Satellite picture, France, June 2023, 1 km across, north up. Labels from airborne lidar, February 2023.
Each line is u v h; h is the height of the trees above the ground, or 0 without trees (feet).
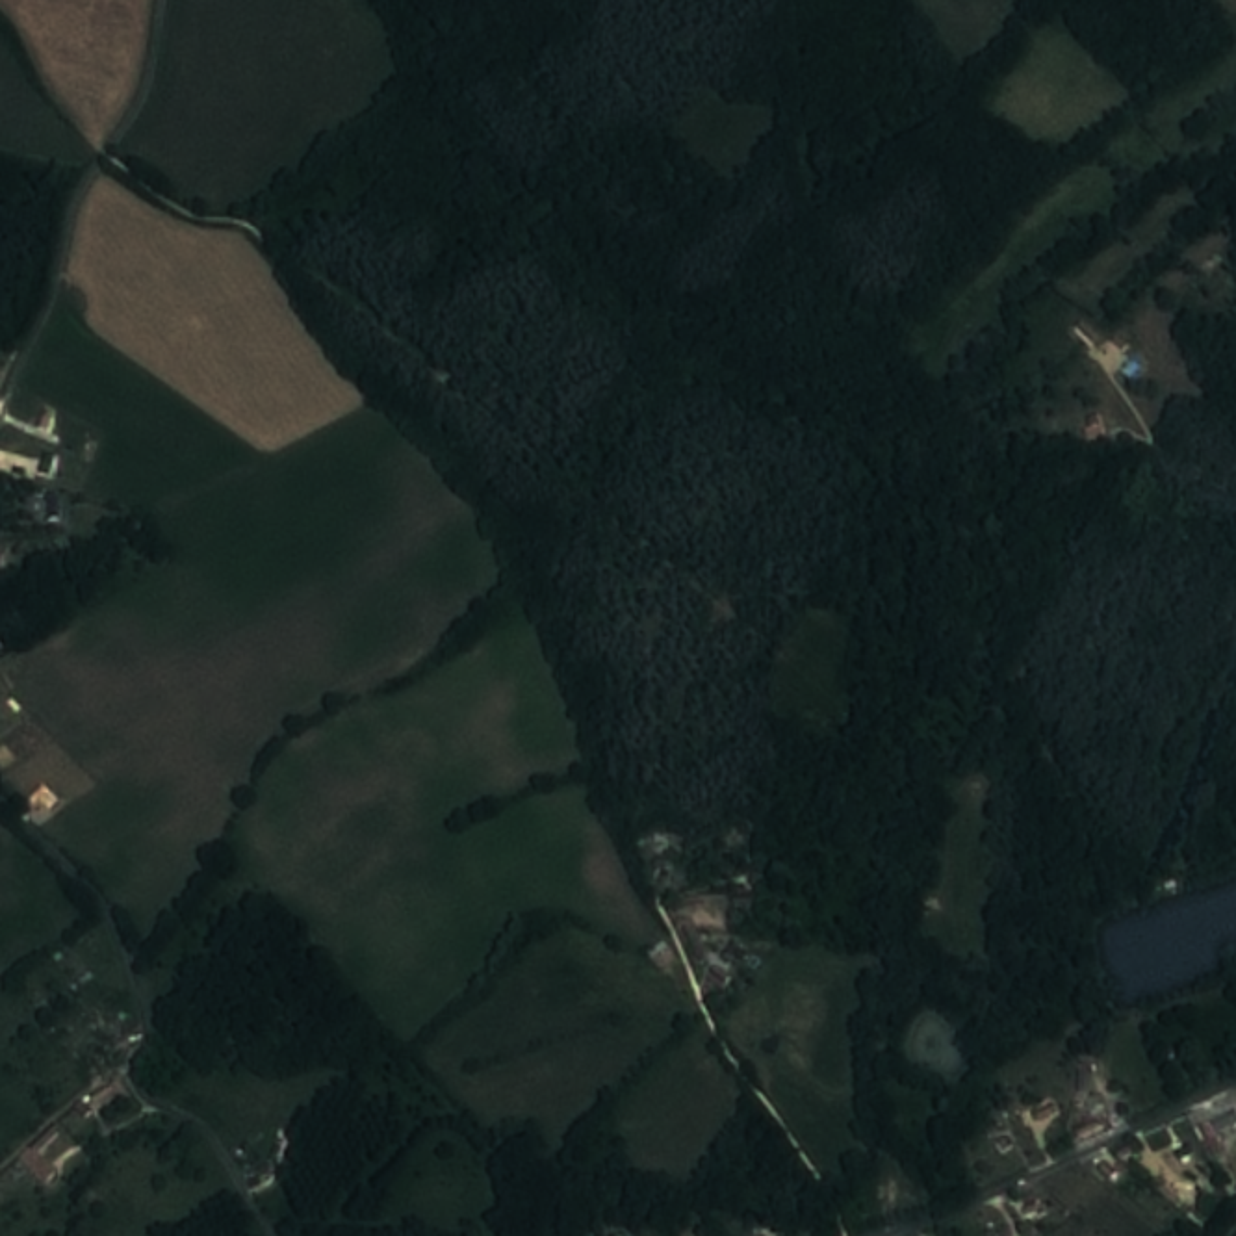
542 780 48
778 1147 48
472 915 0
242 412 0
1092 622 54
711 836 33
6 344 36
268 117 0
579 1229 70
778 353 74
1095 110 0
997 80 63
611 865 0
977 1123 59
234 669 0
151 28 0
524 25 74
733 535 33
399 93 69
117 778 0
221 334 0
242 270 0
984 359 75
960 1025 44
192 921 22
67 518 0
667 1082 0
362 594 0
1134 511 62
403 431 37
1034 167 68
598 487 35
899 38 35
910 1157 57
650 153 69
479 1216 0
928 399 84
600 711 43
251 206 31
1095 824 83
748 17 85
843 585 69
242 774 0
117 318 0
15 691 0
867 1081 62
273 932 95
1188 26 40
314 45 0
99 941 0
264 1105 0
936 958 73
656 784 22
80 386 0
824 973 0
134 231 0
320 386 0
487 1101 0
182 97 0
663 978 0
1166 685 74
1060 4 71
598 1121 53
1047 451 55
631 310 24
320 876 0
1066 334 0
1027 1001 84
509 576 47
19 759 0
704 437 81
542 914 27
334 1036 83
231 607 0
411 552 0
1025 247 0
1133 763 80
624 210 63
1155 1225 0
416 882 0
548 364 80
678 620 74
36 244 42
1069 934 75
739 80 75
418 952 0
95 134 0
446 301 60
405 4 38
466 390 77
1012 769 52
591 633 73
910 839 80
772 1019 0
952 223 76
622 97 82
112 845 0
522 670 0
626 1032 0
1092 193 0
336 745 0
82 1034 0
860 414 88
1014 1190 28
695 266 70
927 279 68
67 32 0
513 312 93
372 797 0
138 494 0
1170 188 56
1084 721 69
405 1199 0
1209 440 66
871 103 24
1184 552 49
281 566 0
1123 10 62
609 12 82
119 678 0
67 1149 0
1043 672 60
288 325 0
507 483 72
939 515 84
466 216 32
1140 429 0
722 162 0
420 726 0
